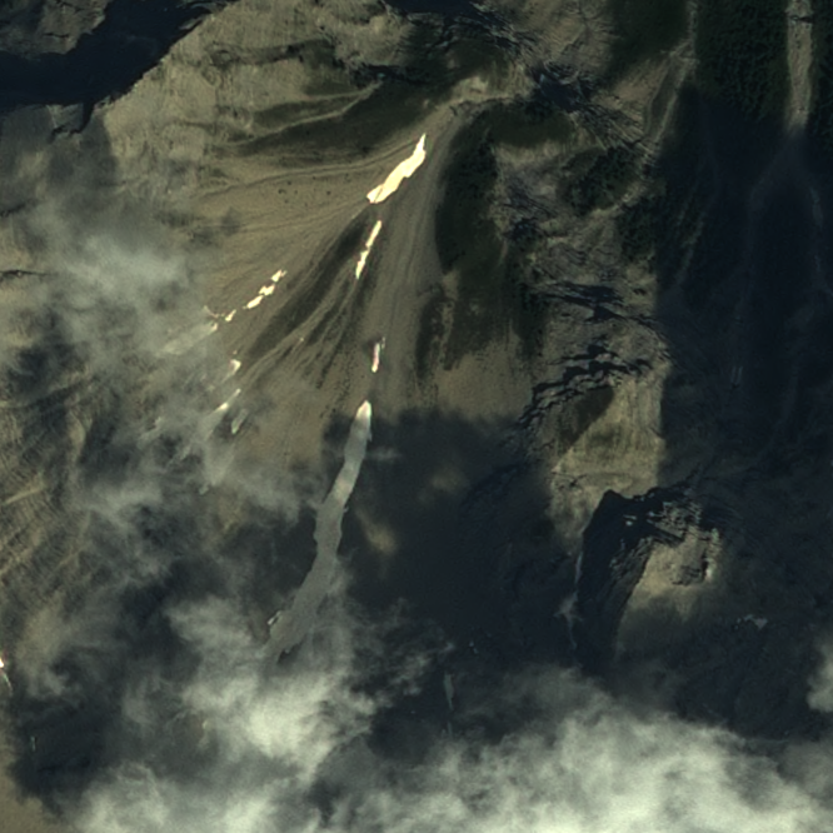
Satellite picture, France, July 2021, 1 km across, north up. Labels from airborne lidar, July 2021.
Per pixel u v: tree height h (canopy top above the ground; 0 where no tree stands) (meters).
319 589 0
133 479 0
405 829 0
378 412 0
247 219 0
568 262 0
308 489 0
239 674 0
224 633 0
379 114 0
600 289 0
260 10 0
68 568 0
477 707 0
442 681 0
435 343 0
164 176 0
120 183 0
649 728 0
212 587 0
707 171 8
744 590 0
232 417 0
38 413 0
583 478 0
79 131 0
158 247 0
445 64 0
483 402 0
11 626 0
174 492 0
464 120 0
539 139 0
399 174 0
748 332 0
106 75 0
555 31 0
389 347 0
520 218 0
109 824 0
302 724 0
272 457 0
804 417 9
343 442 0
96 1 0
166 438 0
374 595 0
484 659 0
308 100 0
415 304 0
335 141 0
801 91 0
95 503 0
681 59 0
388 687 0
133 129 0
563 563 0
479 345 0
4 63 0
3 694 0
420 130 0
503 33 0
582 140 0
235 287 0
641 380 0
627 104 0
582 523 0
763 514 0
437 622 0
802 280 15
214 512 0
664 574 0
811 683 0
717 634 0
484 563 0
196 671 0
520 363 0
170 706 0
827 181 11
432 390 0
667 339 0
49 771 0
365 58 0
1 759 0
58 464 0
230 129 0
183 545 0
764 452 0
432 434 0
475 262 0
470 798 0
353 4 0
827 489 0
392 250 0
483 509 0
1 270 0
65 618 0
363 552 0
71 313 0
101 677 0
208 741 0
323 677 0
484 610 0
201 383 0
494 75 0
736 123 10
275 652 0
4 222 0
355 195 0
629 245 9
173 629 0
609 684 0
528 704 0
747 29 7
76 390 0
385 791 0
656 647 0
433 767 0
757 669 0
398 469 0
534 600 0
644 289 0
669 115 0
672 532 0
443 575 0
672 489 0
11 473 0
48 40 0
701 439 0
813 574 0
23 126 0
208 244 0
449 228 0
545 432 0
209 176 0
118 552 0
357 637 0
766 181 0
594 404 0
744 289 0
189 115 0
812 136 9
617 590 0
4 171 0
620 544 0
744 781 0
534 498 0
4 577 0
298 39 0
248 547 0
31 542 0
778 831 0
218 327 0
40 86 0
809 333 0
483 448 0
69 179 0
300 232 0
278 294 0
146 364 0
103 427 0
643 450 0
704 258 20
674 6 0
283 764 0
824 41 0
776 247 19
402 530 0
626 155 8
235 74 0
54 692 0
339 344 0
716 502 0
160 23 0
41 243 0
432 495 0
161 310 0
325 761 0
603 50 0
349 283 0
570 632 0
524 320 0
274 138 0
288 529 0
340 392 0
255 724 0
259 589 0
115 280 0
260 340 0
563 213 0
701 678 0
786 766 0
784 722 0
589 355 0
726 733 0
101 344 0
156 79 0
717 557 0
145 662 0
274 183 0
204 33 0
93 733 0
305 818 0
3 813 0
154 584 0
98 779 0
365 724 0
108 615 0
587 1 0
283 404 0
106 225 0
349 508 0
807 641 0
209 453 0
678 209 12
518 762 0
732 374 0
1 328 0
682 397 0
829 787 0
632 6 0
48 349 0
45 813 0
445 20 0
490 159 11
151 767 0
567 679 0
